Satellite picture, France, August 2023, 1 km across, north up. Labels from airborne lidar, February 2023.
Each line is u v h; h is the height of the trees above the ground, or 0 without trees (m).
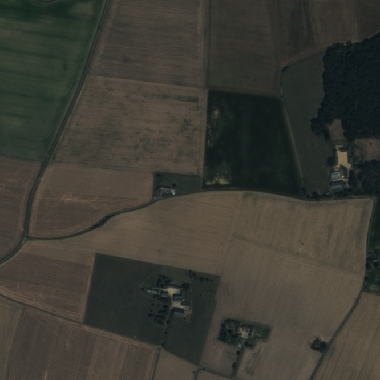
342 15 0
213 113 0
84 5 0
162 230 0
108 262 0
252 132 0
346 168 0
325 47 0
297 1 0
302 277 0
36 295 0
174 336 0
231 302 0
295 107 0
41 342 0
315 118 0
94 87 0
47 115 0
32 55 0
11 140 0
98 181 0
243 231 0
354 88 26
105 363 0
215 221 0
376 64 22
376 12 0
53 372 0
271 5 0
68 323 0
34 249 0
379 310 0
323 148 0
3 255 0
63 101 0
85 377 0
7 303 0
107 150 0
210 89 0
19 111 0
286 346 0
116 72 0
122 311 0
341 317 0
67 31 0
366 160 0
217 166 0
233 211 0
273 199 0
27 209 0
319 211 0
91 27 0
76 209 0
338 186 0
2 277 0
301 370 0
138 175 0
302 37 0
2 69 0
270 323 0
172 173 0
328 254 0
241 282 0
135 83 0
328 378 0
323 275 0
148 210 0
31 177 0
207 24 0
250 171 0
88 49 0
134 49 0
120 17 0
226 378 0
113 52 0
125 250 0
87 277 0
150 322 0
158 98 0
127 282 0
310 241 0
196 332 0
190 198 0
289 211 0
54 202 0
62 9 0
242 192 0
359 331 0
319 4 0
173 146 0
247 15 0
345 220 0
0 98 0
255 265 0
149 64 0
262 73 0
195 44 0
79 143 0
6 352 0
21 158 0
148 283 0
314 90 0
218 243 0
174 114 0
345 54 9
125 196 0
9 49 0
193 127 0
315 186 0
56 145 0
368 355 0
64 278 0
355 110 22
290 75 0
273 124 0
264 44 0
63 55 0
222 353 0
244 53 0
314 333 0
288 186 0
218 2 0
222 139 0
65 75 0
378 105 20
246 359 0
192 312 0
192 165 0
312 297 0
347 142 0
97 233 0
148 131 0
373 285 0
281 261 0
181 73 0
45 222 0
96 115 0
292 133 0
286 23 0
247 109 0
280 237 0
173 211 0
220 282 0
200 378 0
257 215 0
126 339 0
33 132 0
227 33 0
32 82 0
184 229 0
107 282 0
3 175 0
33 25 0
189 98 0
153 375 0
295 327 0
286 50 0
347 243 0
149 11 0
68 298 0
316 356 0
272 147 0
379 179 20
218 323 0
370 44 15
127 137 0
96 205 0
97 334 0
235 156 0
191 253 0
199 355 0
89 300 0
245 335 0
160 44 0
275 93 0
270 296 0
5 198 0
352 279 0
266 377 0
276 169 0
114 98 0
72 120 0
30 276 0
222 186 0
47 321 0
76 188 0
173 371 0
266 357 0
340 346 0
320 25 0
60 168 0
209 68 0
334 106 23
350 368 0
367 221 0
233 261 0
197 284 0
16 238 0
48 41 0
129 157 0
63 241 0
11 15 0
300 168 0
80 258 0
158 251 0
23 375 0
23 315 0
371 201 0
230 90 0
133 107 0
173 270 0
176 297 0
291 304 0
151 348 0
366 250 0
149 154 0
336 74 24
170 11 0
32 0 0
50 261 0
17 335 0
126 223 0
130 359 0
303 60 0
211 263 0
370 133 16
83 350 0
